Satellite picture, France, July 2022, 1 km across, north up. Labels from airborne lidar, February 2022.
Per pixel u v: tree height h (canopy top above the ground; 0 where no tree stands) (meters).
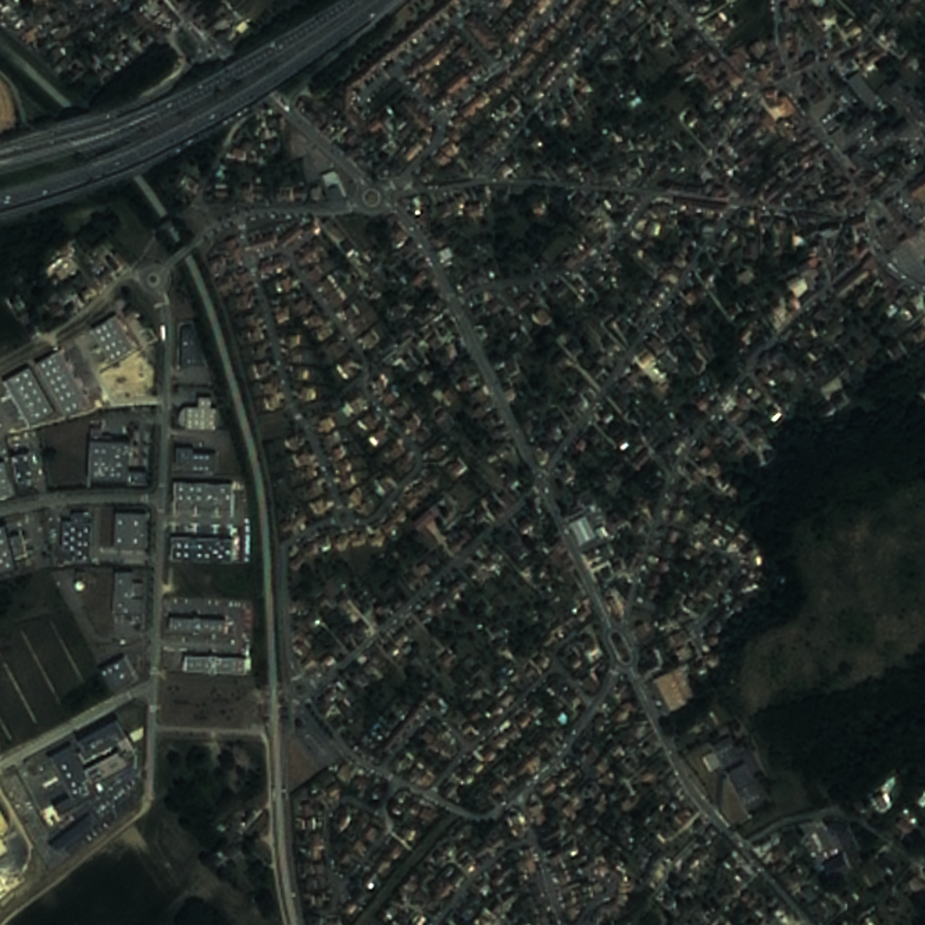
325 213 0
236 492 0
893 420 18
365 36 7
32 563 0
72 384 0
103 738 0
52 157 0
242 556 0
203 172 10
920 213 0
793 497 22
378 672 0
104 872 0
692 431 10
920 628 0
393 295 8
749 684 0
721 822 0
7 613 10
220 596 0
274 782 0
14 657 0
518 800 0
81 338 0
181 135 0
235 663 0
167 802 8
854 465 21
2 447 0
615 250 7
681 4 0
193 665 0
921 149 0
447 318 11
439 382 8
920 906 17
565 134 6
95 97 7
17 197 0
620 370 0
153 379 0
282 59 0
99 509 0
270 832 0
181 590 0
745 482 13
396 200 0
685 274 0
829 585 0
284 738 0
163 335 0
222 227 0
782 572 8
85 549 0
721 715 0
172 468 0
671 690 0
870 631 0
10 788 0
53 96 0
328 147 0
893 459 21
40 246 6
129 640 0
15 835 0
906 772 16
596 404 0
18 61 0
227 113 0
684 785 0
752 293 8
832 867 0
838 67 0
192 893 0
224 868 11
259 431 0
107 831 0
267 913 12
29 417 0
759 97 0
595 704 0
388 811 5
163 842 0
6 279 12
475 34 0
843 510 0
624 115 9
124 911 0
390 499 0
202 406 0
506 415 0
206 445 0
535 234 10
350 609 0
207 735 0
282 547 0
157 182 7
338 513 0
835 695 6
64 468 0
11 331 0
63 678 0
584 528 0
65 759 0
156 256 0
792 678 0
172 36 0
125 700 0
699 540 0
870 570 0
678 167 0
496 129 0
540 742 0
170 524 0
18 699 0
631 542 7
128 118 0
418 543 11
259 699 0
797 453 24
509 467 6
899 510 0
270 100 0
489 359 11
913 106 0
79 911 0
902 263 0
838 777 11
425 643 0
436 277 0
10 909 0
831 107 0
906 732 20
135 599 0
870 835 10
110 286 0
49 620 0
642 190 0
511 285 0
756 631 7
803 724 8
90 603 0
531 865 0
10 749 0
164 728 0
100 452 0
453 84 0
